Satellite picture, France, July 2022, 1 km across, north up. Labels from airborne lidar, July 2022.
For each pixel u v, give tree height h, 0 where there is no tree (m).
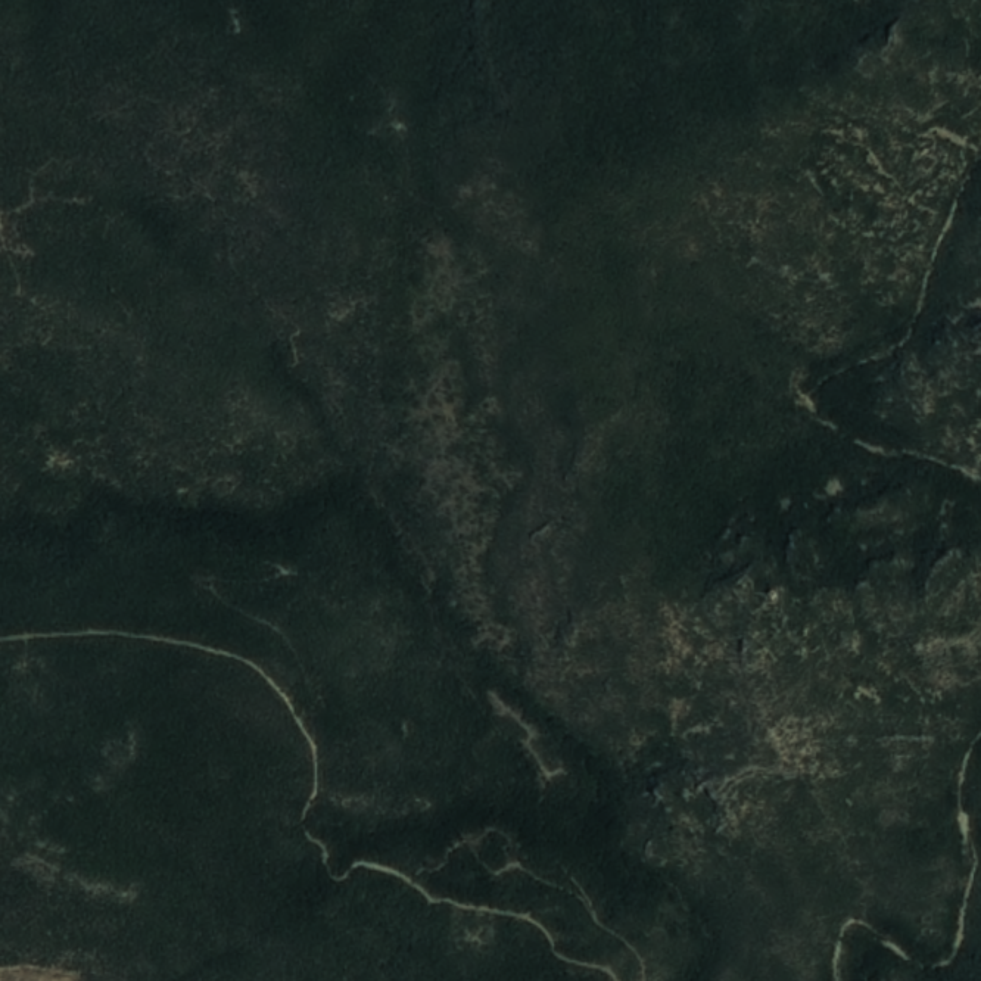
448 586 6
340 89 8
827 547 7
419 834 10
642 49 6
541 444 0
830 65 7
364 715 5
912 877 0
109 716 6
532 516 0
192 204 6
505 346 0
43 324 5
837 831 0
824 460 9
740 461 7
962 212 9
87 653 6
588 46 6
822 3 6
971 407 0
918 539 8
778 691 0
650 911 7
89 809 6
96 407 6
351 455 7
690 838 6
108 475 6
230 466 6
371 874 6
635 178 6
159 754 7
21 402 7
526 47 5
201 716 6
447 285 0
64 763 6
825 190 6
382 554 9
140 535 7
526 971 7
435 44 6
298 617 6
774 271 7
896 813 0
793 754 0
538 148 0
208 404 5
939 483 7
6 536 11
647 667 0
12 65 6
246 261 5
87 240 6
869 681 8
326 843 8
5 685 6
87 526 14
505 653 6
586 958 6
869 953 6
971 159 6
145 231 8
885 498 6
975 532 5
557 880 7
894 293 0
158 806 7
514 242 0
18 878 6
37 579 6
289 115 6
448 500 0
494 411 0
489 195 0
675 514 5
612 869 9
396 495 6
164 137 6
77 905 5
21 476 6
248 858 7
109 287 6
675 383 9
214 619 6
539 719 14
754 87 6
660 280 7
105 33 6
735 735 0
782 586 7
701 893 7
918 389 0
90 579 6
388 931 7
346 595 7
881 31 6
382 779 6
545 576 0
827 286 12
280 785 7
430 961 6
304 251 6
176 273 6
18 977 0
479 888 10
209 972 6
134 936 6
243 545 9
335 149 6
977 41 6
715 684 0
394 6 7
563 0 5
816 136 6
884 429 10
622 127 7
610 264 6
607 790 9
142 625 5
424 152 6
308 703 6
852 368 8
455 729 7
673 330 6
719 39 5
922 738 11
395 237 6
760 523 9
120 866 6
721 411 6
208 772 7
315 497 10
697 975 11
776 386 8
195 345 6
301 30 5
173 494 7
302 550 8
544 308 0
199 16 5
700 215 0
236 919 6
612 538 0
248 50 6
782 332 7
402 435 6
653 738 7
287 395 8
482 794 8
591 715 0
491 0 6
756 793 0
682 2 5
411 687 6
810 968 0
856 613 7
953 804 8
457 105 7
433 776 7
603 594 0
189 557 7
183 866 7
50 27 5
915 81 7
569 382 0
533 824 17
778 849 0
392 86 6
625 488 6
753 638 0
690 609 0
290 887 8
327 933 6
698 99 6
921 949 7
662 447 5
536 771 9
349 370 7
